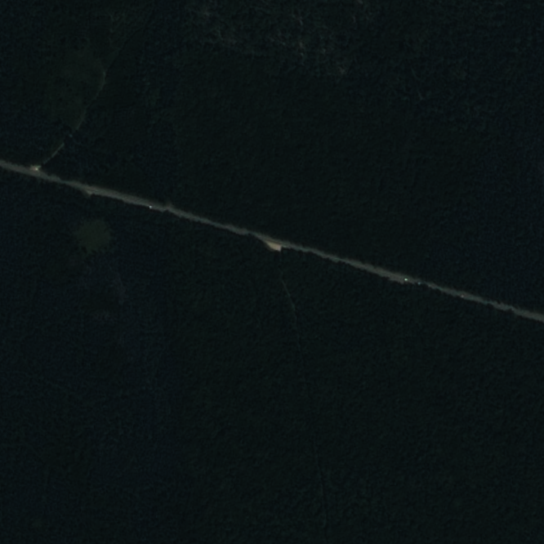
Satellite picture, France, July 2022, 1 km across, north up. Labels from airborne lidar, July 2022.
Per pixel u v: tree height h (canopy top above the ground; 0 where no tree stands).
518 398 17
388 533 17
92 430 17
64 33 7
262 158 16
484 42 13
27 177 8
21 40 17
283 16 18
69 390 16
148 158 15
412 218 22
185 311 13
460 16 13
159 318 24
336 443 14
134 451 18
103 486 20
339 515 15
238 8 14
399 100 14
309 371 16
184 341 17
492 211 17
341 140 19
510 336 14
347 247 17
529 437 16
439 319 18
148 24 8
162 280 20
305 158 18
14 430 18
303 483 16
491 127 18
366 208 15
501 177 22
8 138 24
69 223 23
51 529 20
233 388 13
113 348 16
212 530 18
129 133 10
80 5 11
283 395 15
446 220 24
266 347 18
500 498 15
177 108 17
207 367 18
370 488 15
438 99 11
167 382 21
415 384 19
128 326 21
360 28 18
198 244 20
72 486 14
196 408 13
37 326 13
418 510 17
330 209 17
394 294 20
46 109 19
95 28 10
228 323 14
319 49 19
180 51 23
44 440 17
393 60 19
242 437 17
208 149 20
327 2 18
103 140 23
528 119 21
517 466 15
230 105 18
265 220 20
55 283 20
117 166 29
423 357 19
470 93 10
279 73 22
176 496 17
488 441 12
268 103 18
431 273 16
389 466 15
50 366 19
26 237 17
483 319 16
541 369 13
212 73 18
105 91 7
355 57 12
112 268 25
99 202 21
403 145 25
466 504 20
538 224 22
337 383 13
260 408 20
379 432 12
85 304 14
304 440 17
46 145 19
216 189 18
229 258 20
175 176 16
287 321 17
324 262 13
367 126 17
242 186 20
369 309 11
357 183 17
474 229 14
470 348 19
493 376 18
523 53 6
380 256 8
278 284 13
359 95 19
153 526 16
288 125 21
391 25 23
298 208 19
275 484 16
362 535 16
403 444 15
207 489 13
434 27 16
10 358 24
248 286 15
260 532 16
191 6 12
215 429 15
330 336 12
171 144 10
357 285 19
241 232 0
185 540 17
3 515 15
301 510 15
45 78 19
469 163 18
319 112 15
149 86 16
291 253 17
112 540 17
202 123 20
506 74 16
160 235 24
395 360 17
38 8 16
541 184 20
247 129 20
